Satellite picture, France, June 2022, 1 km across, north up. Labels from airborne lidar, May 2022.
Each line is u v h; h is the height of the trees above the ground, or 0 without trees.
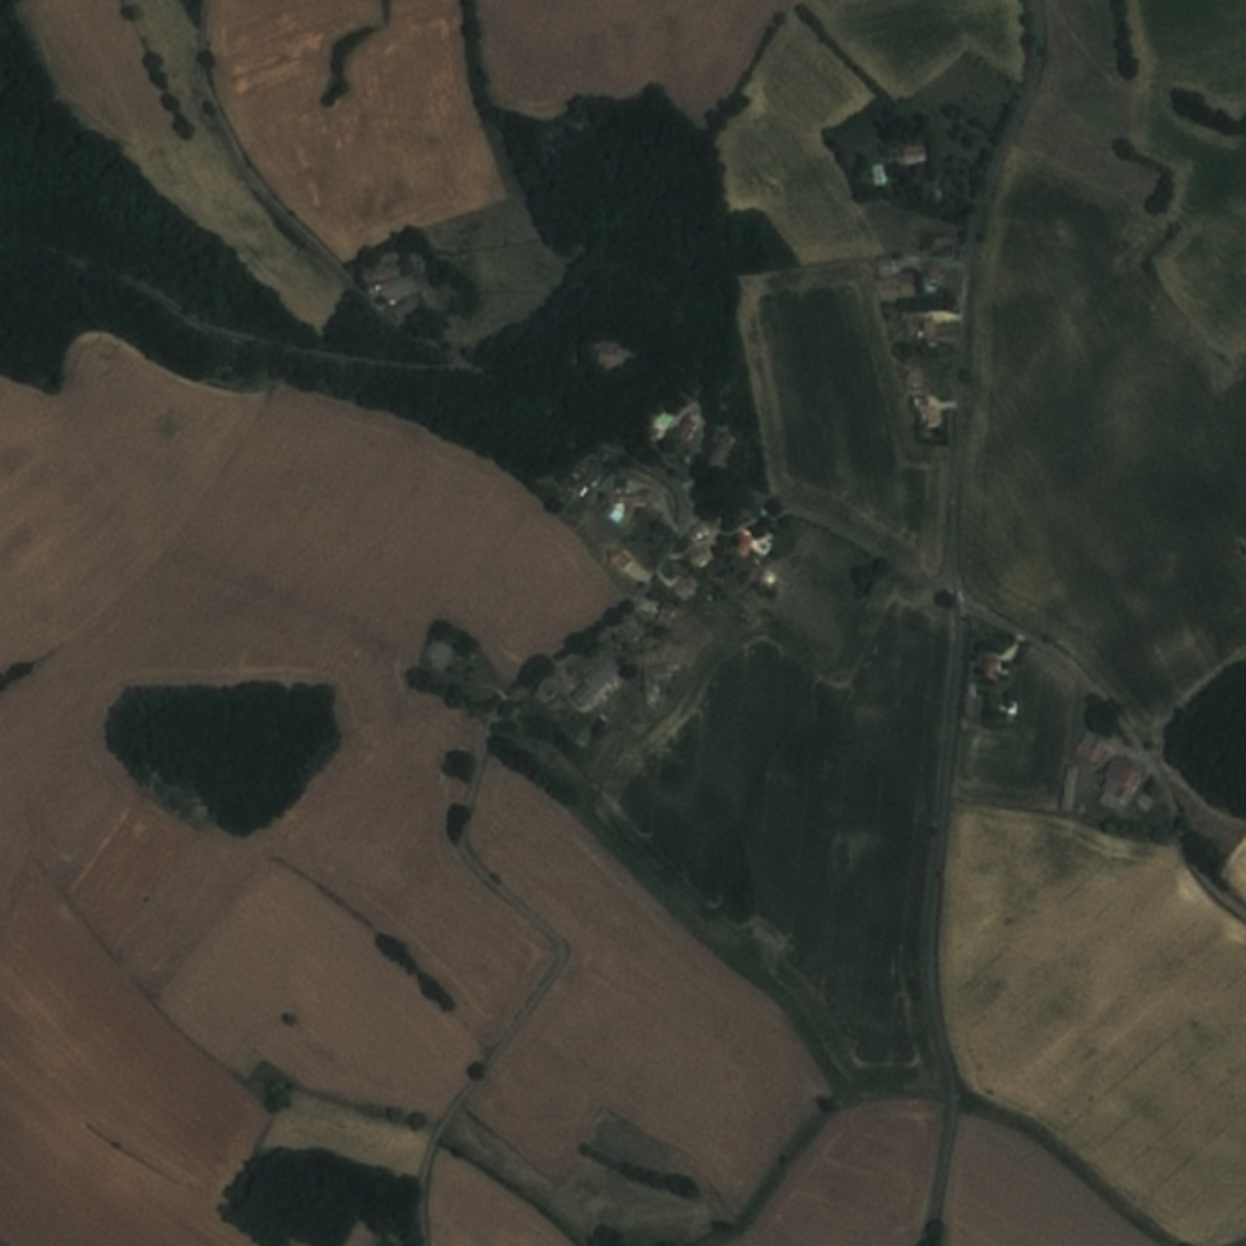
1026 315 0
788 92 0
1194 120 14
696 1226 0
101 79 0
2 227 16
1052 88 0
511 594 0
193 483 0
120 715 12
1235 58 0
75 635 0
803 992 0
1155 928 0
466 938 0
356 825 0
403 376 10
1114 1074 0
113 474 0
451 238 0
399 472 0
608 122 9
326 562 0
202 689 12
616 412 16
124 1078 0
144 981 0
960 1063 0
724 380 11
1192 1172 0
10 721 0
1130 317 0
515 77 0
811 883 0
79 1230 0
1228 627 0
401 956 12
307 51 0
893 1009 0
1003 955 0
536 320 11
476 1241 0
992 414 0
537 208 19
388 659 0
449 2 0
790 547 0
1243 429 0
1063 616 0
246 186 0
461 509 0
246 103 0
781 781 0
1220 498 0
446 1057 0
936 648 0
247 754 17
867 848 0
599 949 0
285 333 15
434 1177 0
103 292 16
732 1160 0
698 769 0
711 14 0
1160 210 14
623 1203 0
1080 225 0
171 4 0
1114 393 0
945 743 0
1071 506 0
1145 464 0
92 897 0
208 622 0
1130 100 0
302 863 0
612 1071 0
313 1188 18
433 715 0
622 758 0
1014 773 0
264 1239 11
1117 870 0
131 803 0
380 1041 0
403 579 0
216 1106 0
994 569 0
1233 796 16
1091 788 0
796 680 0
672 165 22
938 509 0
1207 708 20
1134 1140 0
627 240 19
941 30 0
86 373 0
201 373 7
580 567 0
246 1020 0
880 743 0
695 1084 0
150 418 0
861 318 0
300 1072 0
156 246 13
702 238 19
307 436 0
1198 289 0
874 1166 0
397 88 0
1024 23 9
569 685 0
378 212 0
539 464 17
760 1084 0
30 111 10
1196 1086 0
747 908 0
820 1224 0
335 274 0
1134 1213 0
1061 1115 0
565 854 0
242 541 0
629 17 0
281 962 0
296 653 0
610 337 16
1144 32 0
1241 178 0
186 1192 0
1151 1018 0
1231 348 0
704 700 0
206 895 0
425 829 0
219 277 15
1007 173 0
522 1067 0
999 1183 0
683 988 0
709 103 0
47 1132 0
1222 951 0
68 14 0
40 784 0
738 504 17
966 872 0
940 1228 13
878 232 0
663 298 12
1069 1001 0
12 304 20
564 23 0
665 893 0
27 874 0
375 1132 0
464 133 0
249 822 14
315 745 12
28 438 0
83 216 11
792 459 0
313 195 0
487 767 0
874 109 7
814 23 7
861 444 0
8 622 0
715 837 0
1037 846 0
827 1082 0
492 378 16
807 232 0
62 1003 0
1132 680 0
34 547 0
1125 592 0
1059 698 0
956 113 19
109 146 16
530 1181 0
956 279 0
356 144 0
